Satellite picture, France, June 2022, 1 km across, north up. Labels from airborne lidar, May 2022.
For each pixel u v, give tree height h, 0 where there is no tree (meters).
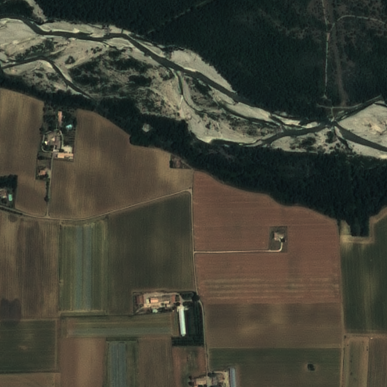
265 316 0
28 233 0
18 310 0
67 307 0
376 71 13
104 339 0
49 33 0
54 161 0
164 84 0
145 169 0
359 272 0
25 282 0
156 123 15
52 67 0
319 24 10
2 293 0
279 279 0
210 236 0
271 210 0
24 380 0
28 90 15
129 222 0
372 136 0
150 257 0
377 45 6
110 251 0
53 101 14
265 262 0
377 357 0
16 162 0
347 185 23
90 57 0
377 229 0
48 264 0
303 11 7
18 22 0
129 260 0
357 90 15
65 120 8
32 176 0
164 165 0
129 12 26
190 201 0
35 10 0
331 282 0
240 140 0
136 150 0
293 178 8
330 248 0
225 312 0
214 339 0
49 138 0
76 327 0
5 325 0
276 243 0
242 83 17
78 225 0
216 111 0
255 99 21
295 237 0
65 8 24
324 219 0
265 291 0
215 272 0
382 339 0
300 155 10
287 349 0
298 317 0
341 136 0
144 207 0
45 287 0
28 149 0
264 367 0
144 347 0
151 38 25
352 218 20
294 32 7
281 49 13
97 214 0
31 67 0
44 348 0
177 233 0
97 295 0
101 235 0
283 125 0
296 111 17
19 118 0
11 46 0
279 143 0
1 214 0
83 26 0
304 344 0
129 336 0
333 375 0
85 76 7
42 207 0
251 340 0
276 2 8
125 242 0
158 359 0
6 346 0
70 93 12
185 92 0
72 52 0
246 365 0
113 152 0
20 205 0
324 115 13
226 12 11
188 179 0
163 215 0
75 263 0
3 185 14
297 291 0
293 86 15
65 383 0
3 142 0
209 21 12
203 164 22
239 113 0
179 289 0
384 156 0
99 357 0
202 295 0
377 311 0
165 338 0
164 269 0
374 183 29
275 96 18
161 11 17
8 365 0
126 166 0
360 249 0
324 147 0
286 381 0
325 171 20
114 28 0
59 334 0
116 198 0
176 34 21
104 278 0
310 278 0
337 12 9
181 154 19
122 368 0
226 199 0
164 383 0
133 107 9
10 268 0
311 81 10
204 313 0
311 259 0
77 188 0
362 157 6
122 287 0
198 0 23
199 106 0
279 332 0
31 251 0
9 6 7
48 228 0
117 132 0
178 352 0
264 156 22
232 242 0
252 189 13
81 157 0
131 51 0
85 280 0
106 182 0
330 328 0
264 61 13
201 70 0
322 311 0
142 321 0
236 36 9
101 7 22
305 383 0
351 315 0
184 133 14
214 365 0
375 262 0
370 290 0
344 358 0
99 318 0
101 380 0
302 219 0
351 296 0
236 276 0
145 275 0
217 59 10
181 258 0
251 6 8
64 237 0
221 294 0
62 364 0
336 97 13
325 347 0
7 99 0
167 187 0
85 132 0
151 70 0
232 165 21
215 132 0
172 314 0
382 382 0
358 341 0
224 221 0
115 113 16
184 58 0
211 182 0
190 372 0
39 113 0
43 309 0
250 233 0
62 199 0
